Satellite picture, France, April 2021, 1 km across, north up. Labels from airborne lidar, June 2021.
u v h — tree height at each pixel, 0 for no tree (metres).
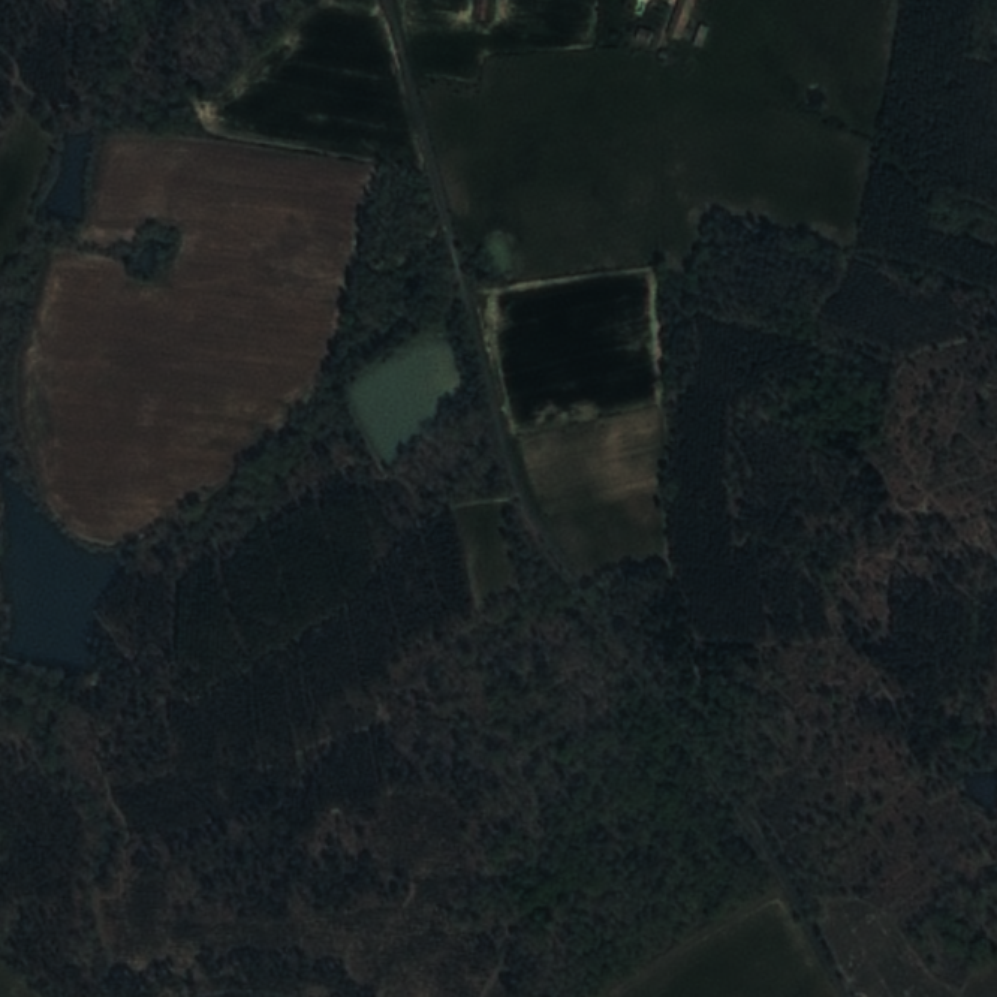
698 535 9
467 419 21
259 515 7
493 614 20
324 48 0
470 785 25
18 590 0
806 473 15
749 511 15
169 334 0
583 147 0
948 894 16
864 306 9
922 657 18
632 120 0
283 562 14
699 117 0
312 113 0
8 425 7
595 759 19
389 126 0
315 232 0
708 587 13
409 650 10
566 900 21
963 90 11
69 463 0
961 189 15
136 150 0
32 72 13
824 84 0
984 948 22
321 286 0
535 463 0
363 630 14
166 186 0
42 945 18
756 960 0
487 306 0
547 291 0
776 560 21
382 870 9
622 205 0
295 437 22
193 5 11
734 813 12
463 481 17
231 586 17
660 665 26
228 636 11
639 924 14
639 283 0
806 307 21
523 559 7
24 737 11
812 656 6
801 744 10
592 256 0
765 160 0
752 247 22
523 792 19
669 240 0
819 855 6
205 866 8
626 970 17
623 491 0
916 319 10
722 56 0
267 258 0
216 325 0
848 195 0
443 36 0
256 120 0
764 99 0
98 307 0
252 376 0
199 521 9
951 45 11
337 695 13
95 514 0
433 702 13
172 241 6
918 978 0
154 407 0
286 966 21
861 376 16
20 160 0
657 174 0
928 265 10
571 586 8
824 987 0
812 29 0
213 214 0
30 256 8
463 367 11
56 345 0
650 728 16
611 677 13
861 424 22
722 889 15
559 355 0
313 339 0
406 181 12
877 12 0
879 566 8
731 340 11
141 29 11
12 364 14
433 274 16
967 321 8
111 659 21
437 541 14
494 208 0
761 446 18
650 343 0
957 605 12
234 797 7
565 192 0
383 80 0
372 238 9
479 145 0
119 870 21
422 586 14
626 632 23
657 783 19
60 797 17
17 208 0
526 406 0
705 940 0
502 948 23
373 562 12
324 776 11
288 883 14
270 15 17
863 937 0
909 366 13
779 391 11
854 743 8
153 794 8
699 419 11
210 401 0
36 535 0
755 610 11
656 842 23
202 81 7
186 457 0
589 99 0
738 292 16
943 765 14
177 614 6
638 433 0
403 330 23
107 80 22
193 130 13
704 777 12
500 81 0
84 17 23
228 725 14
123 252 11
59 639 0
